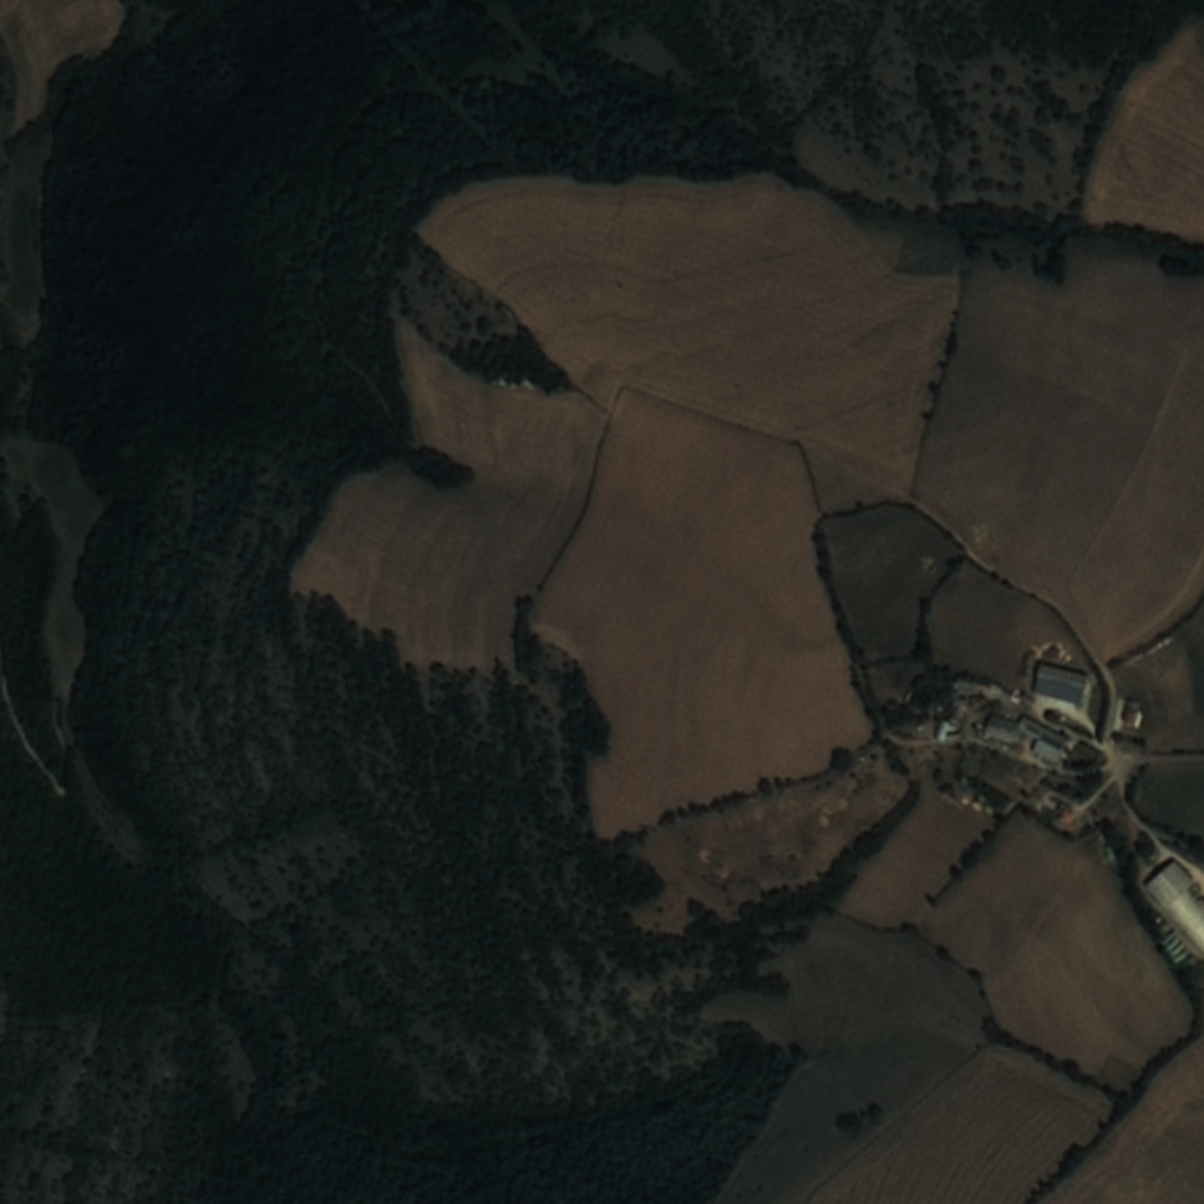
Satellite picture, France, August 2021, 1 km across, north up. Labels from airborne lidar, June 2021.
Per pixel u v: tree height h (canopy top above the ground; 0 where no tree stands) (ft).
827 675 0
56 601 0
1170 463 0
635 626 0
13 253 0
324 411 36
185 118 76
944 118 30
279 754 21
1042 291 0
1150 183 0
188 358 40
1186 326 0
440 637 0
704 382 0
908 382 0
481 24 64
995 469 0
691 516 0
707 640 0
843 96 18
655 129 49
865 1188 0
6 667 27
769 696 0
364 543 0
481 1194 32
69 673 0
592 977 22
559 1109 29
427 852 18
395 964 27
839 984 0
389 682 20
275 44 76
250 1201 37
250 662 19
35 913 24
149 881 41
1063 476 0
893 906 0
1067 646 0
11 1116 36
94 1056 23
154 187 65
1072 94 0
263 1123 34
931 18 19
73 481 0
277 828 19
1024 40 20
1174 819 0
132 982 22
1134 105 0
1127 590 0
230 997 25
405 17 60
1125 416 0
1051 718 28
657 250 0
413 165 27
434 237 0
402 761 21
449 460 23
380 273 21
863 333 0
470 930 19
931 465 0
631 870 25
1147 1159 0
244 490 20
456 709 24
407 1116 29
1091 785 17
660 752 0
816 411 0
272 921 29
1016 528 0
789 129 22
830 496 0
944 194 32
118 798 44
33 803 25
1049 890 0
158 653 25
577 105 39
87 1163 19
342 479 20
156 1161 20
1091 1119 0
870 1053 0
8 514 50
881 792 0
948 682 28
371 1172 24
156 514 22
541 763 24
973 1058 0
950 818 0
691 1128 22
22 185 0
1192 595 0
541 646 23
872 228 0
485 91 30
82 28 0
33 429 39
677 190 0
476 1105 24
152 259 65
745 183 0
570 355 0
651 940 23
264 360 47
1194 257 47
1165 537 0
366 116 32
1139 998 0
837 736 0
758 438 0
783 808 0
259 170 52
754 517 0
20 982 30
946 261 0
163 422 53
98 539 39
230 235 50
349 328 32
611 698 0
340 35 72
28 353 32
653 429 0
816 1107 0
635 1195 18
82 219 78
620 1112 24
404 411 33
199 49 57
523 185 0
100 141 57
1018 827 0
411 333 0
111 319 78
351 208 32
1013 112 18
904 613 0
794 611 0
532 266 0
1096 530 0
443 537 0
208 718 29
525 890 19
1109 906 0
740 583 0
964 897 0
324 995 33
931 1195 0
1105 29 29
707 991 23
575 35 40
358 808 20
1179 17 40
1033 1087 0
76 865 35
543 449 0
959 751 20
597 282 0
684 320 0
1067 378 0
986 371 0
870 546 0
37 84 0
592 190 0
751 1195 0
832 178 0
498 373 19
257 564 19
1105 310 0
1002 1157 0
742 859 0
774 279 0
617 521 0
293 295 28
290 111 70
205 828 19
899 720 22
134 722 27
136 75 59
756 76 24
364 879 26
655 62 0
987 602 0
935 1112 0
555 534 0
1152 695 0
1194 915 0
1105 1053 0
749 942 31
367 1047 39
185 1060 27
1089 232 22
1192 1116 0
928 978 0
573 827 20
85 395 63
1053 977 0
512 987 21
